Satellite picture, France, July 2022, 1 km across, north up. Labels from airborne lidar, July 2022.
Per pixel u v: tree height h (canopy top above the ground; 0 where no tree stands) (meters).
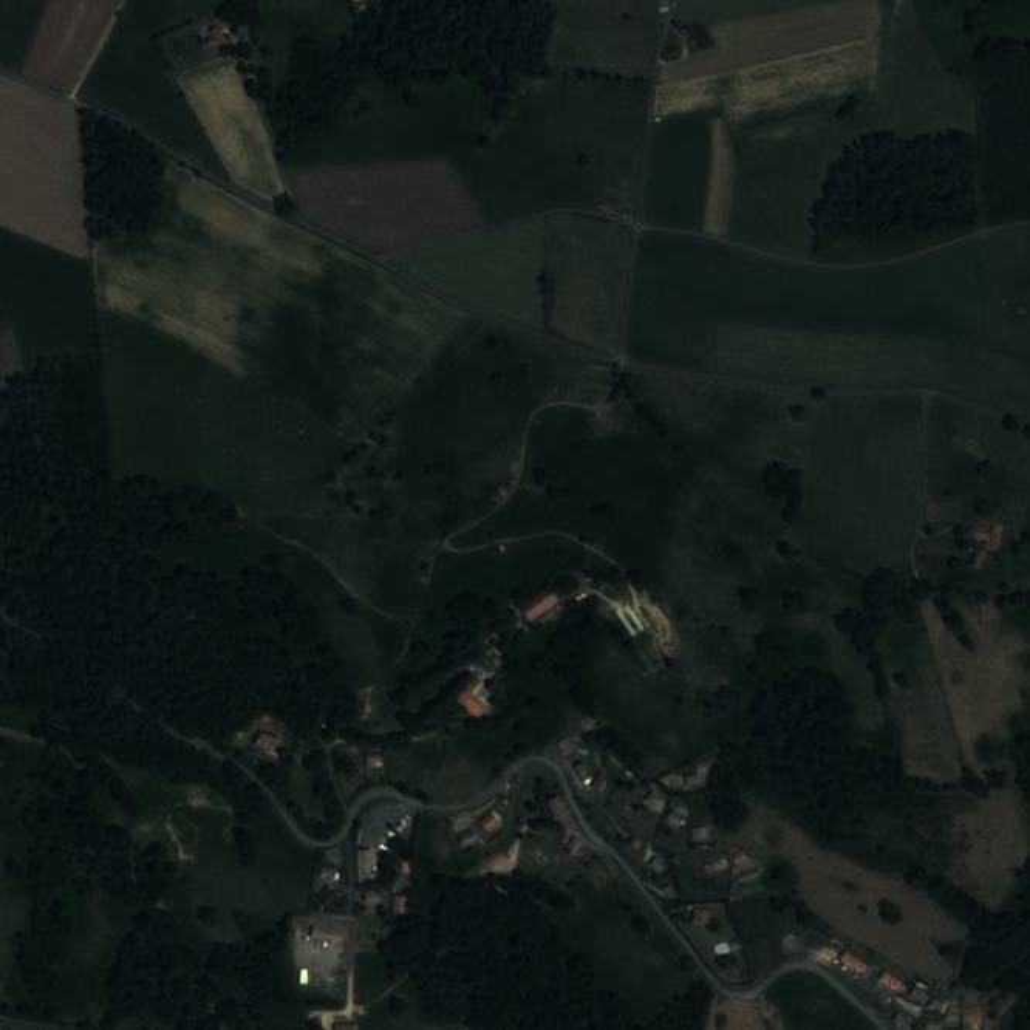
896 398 0
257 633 10
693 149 0
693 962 13
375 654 0
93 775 11
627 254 0
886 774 18
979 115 0
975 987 7
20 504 23
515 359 0
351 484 0
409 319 0
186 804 0
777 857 0
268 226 0
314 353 0
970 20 15
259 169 0
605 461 0
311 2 0
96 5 0
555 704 0
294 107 20
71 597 21
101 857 18
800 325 0
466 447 0
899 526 0
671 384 0
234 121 0
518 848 0
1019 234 0
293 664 21
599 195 0
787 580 0
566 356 0
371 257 0
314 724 28
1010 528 0
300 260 0
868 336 0
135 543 18
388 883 16
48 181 0
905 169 19
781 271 0
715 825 11
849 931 0
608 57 0
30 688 18
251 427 0
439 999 25
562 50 0
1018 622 0
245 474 0
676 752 0
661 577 0
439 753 0
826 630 0
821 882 0
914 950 0
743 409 0
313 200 0
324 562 0
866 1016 0
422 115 0
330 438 0
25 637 19
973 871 0
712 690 0
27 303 0
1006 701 0
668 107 0
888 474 0
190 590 15
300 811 14
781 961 0
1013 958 30
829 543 0
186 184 0
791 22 0
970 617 0
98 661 23
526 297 0
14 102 0
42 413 19
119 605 21
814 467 0
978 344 0
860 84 0
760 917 0
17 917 0
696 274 0
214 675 11
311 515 0
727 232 0
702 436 0
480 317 0
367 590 0
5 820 0
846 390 0
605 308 0
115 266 0
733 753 17
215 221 0
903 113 0
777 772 15
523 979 21
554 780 0
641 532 0
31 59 0
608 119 0
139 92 0
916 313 0
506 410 0
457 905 31
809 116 0
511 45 25
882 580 22
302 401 0
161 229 0
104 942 0
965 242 0
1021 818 0
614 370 7
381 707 0
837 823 19
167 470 0
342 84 8
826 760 16
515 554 0
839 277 0
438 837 0
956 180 21
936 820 0
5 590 12
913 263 0
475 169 0
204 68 0
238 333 0
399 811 0
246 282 0
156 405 0
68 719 11
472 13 18
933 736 0
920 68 0
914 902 0
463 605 22
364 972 0
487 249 0
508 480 0
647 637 0
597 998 11
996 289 0
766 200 0
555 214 0
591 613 8
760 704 14
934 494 0
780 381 0
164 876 18
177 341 0
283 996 7
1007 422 14
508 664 7
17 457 24
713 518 0
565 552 7
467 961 26
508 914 24
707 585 0
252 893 0
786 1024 0
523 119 0
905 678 13
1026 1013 6
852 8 0
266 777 17
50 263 0
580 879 8
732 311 0
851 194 11
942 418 0
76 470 24
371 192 0
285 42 0
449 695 19
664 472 0
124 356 0
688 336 0
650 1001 0
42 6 0
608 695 0
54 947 0
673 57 0
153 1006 23
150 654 17
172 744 19
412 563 0
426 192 0
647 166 0
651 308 0
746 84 0
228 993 0
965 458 0
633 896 0
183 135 0
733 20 0
